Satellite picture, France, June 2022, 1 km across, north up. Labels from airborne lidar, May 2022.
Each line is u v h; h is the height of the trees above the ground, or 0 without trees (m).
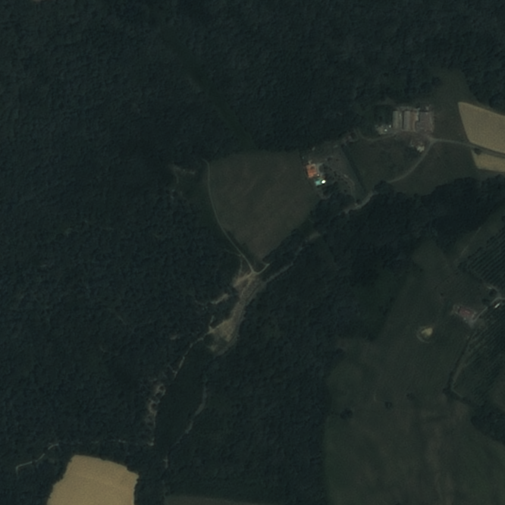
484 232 0
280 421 9
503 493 0
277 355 8
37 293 9
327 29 15
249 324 13
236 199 0
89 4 21
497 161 0
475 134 0
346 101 12
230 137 15
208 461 22
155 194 9
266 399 14
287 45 15
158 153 14
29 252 25
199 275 15
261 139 9
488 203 18
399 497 0
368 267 17
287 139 22
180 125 16
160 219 20
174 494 11
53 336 13
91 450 14
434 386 0
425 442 0
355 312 21
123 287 18
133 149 8
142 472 11
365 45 11
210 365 17
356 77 17
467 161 0
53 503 0
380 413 0
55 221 14
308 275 13
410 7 18
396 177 0
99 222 11
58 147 25
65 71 8
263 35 17
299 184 0
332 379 0
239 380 12
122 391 14
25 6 20
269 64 16
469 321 0
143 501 14
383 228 24
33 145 25
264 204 0
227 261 18
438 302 0
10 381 23
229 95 10
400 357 0
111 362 7
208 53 15
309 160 0
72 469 0
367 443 0
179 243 28
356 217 6
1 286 18
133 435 18
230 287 16
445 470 0
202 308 11
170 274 22
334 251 18
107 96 13
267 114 11
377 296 0
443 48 10
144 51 19
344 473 0
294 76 20
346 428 0
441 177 0
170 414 6
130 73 18
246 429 20
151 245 27
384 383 0
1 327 18
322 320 22
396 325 0
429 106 0
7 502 22
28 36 22
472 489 0
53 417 21
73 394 29
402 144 0
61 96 15
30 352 18
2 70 23
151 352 22
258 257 0
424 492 0
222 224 0
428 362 0
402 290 0
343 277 10
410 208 14
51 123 24
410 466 0
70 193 21
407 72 13
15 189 22
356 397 0
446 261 0
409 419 0
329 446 0
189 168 23
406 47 16
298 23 8
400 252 19
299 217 0
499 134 0
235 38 17
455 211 24
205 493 10
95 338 14
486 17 15
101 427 22
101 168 18
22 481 12
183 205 17
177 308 17
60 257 27
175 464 17
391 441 0
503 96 14
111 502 0
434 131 0
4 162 27
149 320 13
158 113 9
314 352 19
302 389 21
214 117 10
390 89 8
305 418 27
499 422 21
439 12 23
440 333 0
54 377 25
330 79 9
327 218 15
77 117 16
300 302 7
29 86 19
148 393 12
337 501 0
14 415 21
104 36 18
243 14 20
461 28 27
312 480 18
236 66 15
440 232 18
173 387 7
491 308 5
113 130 10
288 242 6
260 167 0
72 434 19
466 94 0
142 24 20
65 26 22
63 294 20
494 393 0
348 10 10
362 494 0
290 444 22
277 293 13
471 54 13
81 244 17
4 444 11
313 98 17
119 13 26
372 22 16
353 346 0
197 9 18
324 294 8
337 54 12
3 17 29
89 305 18
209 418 7
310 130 18
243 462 10
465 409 0
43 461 0
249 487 7
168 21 16
